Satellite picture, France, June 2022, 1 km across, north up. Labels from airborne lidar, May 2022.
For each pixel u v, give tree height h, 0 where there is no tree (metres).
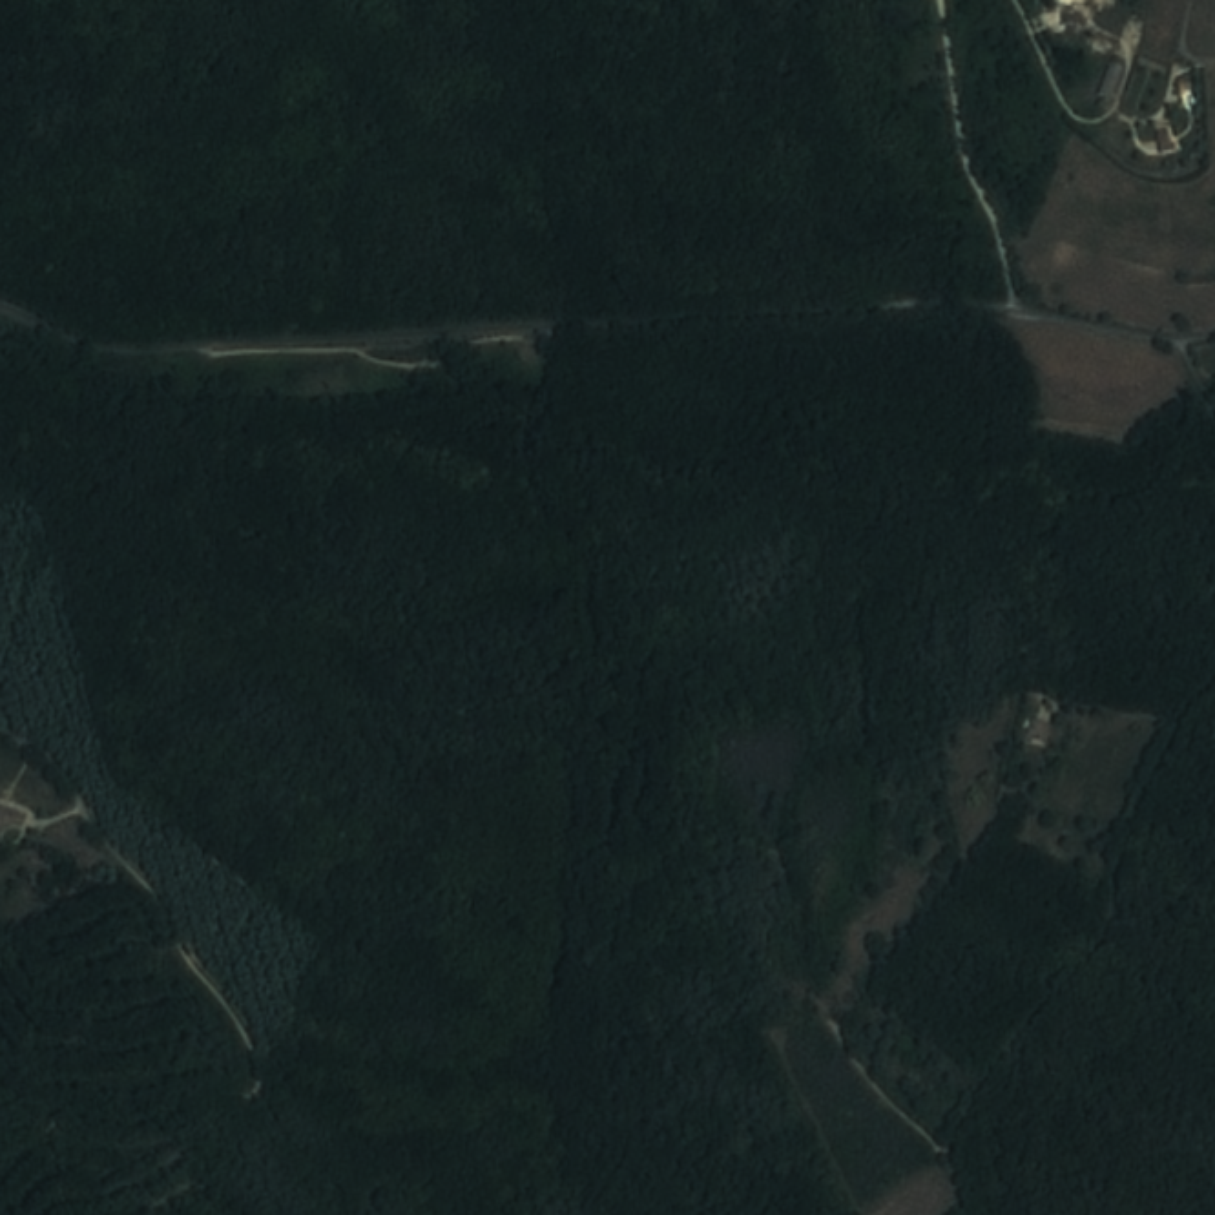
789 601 14
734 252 16
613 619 16
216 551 17
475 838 17
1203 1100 15
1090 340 0
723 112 16
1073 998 15
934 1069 13
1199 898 23
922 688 13
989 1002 18
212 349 0
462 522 24
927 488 21
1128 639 22
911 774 18
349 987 18
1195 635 21
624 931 18
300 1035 14
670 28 17
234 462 21
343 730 15
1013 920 19
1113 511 23
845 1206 14
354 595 16
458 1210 15
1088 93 0
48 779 11
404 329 12
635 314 17
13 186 14
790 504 20
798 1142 15
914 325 16
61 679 18
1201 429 23
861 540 22
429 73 16
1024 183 7
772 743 0
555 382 19
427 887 20
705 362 11
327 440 24
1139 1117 13
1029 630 21
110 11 17
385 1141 16
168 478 24
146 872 14
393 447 22
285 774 17
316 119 16
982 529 21
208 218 13
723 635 18
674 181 20
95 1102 21
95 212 17
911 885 0
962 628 17
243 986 16
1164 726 13
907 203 18
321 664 18
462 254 12
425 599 18
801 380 21
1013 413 21
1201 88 7
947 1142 15
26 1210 20
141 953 19
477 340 0
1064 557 19
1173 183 6
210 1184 16
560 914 21
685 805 19
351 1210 13
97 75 16
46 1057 19
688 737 15
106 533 19
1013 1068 11
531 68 20
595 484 17
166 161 12
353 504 23
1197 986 15
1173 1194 18
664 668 26
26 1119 16
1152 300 0
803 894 15
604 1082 21
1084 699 17
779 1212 21
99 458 25
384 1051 14
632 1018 23
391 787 14
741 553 17
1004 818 14
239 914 20
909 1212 0
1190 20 0
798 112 18
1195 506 16
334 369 0
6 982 22
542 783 18
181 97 9
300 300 16
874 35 13
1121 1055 13
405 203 13
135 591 21
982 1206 15
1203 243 0
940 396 22
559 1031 27
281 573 13
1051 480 21
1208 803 22
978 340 15
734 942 16
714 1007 18
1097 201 0
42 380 22
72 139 16
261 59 15
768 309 13
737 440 21
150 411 18
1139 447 19
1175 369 0
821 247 17
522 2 20
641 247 17
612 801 14
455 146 14
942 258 21
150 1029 20
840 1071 0
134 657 17
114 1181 16
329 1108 17
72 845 0
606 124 17
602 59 16
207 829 14
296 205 19
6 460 13
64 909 24
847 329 16
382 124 18
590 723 17
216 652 18
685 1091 26
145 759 16
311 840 18
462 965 18
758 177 16
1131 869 21
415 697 18
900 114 19
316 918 17
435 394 20
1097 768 0
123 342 15
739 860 18
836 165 18
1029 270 0
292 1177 16
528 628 11
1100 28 0
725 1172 19
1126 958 15
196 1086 16
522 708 21
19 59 25
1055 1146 18
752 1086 16
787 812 14
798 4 17
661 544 16
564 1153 16
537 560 24
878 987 18
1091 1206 19
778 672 17
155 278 14
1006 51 7
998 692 18
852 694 19
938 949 20
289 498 19
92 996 25
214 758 19
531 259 13
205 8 15
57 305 17
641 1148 25
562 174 21
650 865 18
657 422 18
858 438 18
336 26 16
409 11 13
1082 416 0
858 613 10
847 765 7
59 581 17
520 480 16
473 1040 18
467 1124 15
